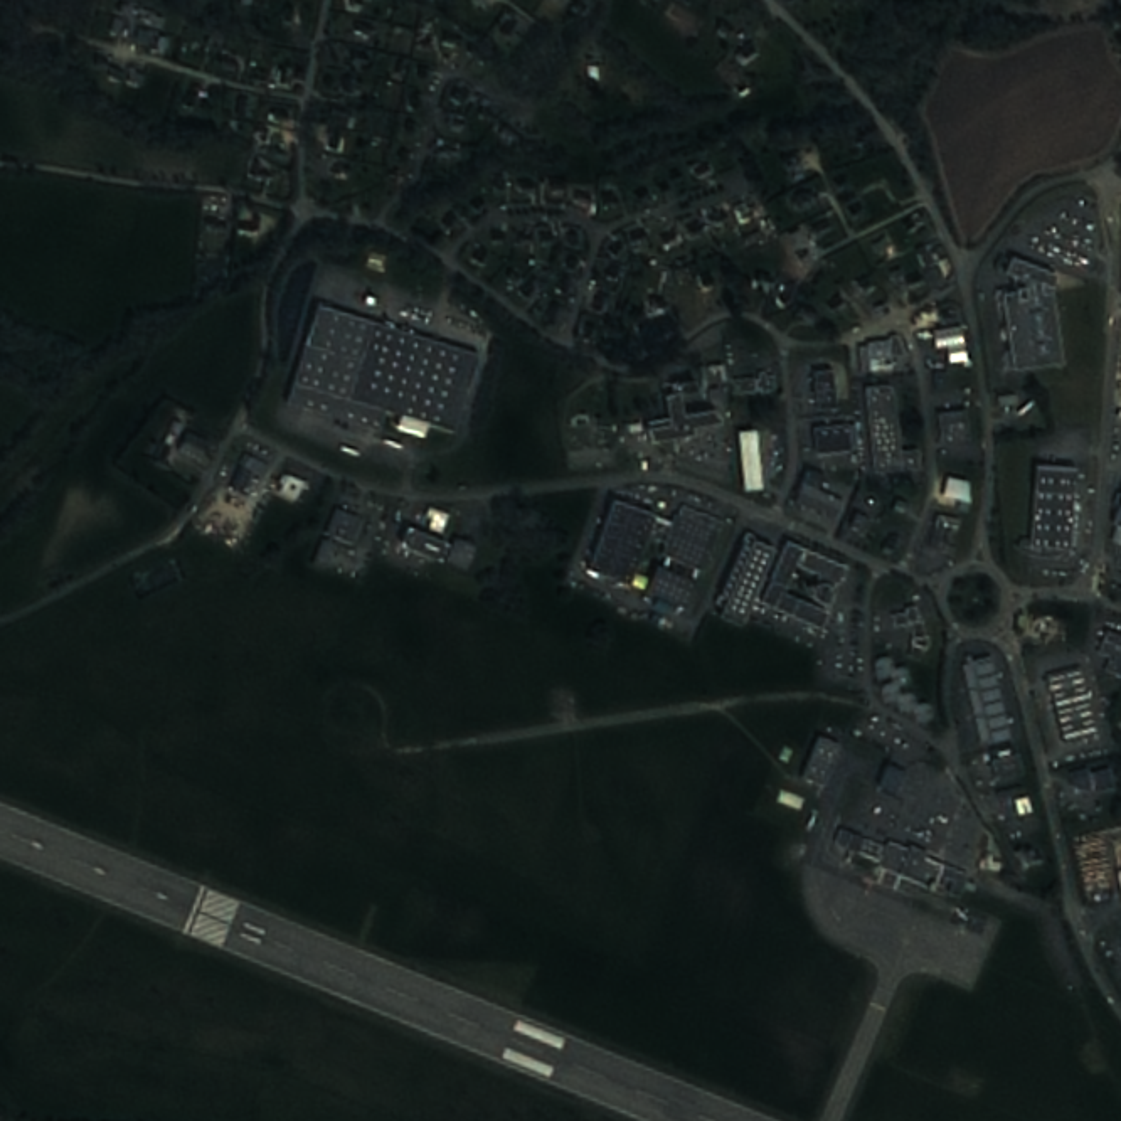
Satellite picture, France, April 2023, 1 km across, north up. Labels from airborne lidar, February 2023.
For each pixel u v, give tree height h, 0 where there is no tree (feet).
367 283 0
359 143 24
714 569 0
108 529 0
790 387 0
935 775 0
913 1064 0
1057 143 0
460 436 0
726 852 0
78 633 0
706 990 0
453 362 0
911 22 60
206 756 0
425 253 42
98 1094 0
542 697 0
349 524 0
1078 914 0
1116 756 22
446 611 0
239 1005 0
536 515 22
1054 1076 0
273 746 0
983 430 0
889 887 0
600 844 0
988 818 0
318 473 0
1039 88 0
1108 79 0
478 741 0
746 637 0
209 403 0
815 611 0
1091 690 0
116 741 0
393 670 0
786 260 0
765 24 37
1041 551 0
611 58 35
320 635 0
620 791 0
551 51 56
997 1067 0
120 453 29
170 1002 0
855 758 0
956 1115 0
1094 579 0
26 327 37
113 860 0
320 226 34
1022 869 0
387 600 0
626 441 0
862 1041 0
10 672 0
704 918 0
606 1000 0
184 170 0
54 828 0
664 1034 0
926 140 30
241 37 62
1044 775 0
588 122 25
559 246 22
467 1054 0
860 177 0
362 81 26
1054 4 0
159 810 0
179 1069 0
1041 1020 0
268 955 0
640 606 0
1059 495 0
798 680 0
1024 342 0
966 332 0
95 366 32
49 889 0
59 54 56
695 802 0
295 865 0
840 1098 0
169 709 0
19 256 0
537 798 0
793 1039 0
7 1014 0
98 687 0
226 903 0
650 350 68
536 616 0
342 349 0
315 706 0
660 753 0
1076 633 0
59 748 0
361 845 0
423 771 0
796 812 0
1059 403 0
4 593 0
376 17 21
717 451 0
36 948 0
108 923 0
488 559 0
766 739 0
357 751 0
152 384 0
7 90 0
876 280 0
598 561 0
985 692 0
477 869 0
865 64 84
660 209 0
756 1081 0
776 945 0
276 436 0
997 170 0
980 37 32
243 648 0
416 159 0
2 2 51
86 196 0
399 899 0
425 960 0
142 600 0
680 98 36
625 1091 0
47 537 0
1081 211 0
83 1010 0
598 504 0
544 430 0
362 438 0
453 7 69
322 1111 0
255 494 0
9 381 52
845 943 0
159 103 0
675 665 0
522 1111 0
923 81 23
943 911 0
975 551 0
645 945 0
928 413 0
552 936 0
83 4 45
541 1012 0
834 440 0
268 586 0
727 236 0
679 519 0
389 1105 0
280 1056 0
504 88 46
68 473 0
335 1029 0
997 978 0
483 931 0
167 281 0
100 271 0
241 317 0
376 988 0
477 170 49
